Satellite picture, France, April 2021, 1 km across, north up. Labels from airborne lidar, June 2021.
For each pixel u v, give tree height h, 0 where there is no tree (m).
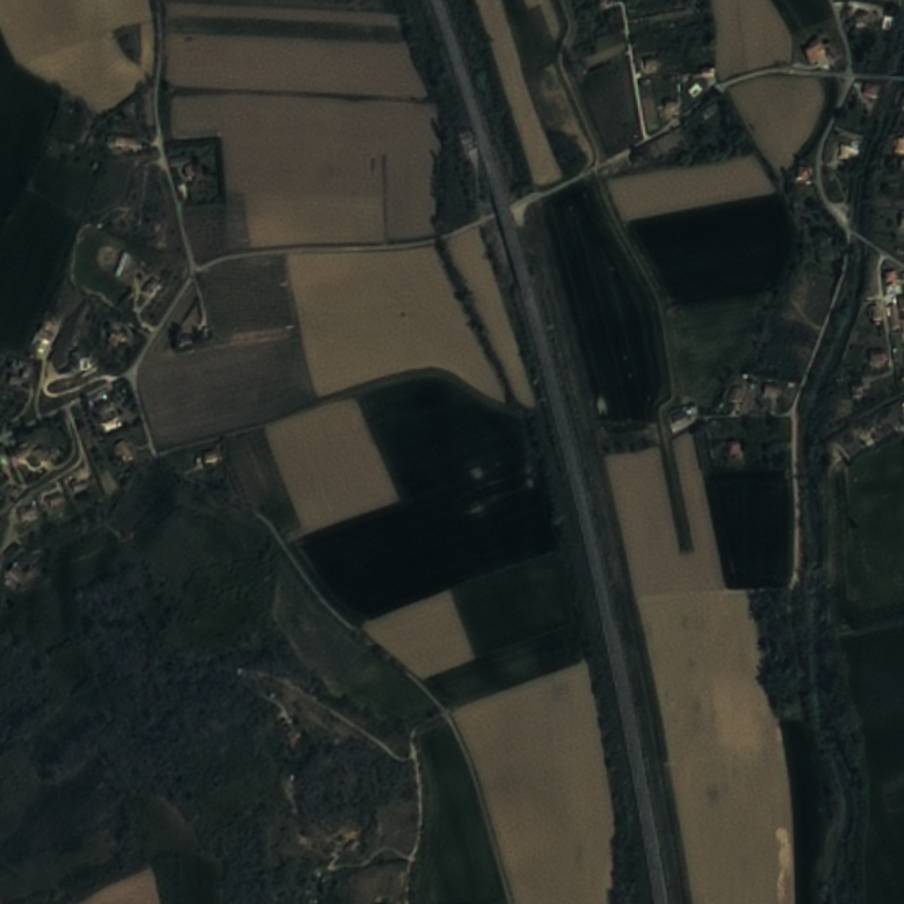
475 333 12
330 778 17
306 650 0
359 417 0
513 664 0
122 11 0
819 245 8
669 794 0
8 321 0
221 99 0
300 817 9
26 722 16
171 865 8
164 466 18
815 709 15
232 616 0
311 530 0
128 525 0
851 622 0
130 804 9
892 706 0
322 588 0
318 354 0
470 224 0
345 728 0
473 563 0
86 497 9
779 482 0
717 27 6
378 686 0
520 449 0
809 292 0
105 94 0
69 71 0
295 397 0
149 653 6
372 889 0
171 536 0
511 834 0
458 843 0
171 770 14
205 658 11
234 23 0
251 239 0
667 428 0
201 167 10
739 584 0
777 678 26
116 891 0
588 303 0
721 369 0
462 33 9
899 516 0
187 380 0
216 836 5
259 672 11
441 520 0
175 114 0
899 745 0
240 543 0
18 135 0
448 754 0
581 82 19
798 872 0
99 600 13
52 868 0
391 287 0
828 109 0
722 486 0
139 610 13
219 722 9
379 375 0
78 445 0
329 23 0
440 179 8
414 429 0
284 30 0
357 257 0
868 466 0
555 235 0
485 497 0
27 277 0
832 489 0
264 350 0
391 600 0
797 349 13
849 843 6
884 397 10
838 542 0
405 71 0
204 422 0
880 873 0
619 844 16
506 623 0
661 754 0
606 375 0
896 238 8
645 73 8
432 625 0
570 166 12
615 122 0
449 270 12
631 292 0
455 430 0
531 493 0
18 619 0
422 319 0
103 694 10
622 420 0
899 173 12
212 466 7
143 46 0
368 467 0
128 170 0
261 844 15
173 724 19
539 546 0
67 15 0
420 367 0
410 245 0
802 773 0
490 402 0
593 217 0
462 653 0
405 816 0
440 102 9
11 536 0
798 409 7
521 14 0
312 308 0
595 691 9
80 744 19
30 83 0
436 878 0
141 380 0
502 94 8
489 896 0
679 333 0
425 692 0
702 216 0
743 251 0
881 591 0
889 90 11
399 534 0
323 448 0
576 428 7
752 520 0
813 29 0
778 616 22
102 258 0
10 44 0
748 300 0
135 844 16
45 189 0
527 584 0
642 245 0
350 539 0
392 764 9
